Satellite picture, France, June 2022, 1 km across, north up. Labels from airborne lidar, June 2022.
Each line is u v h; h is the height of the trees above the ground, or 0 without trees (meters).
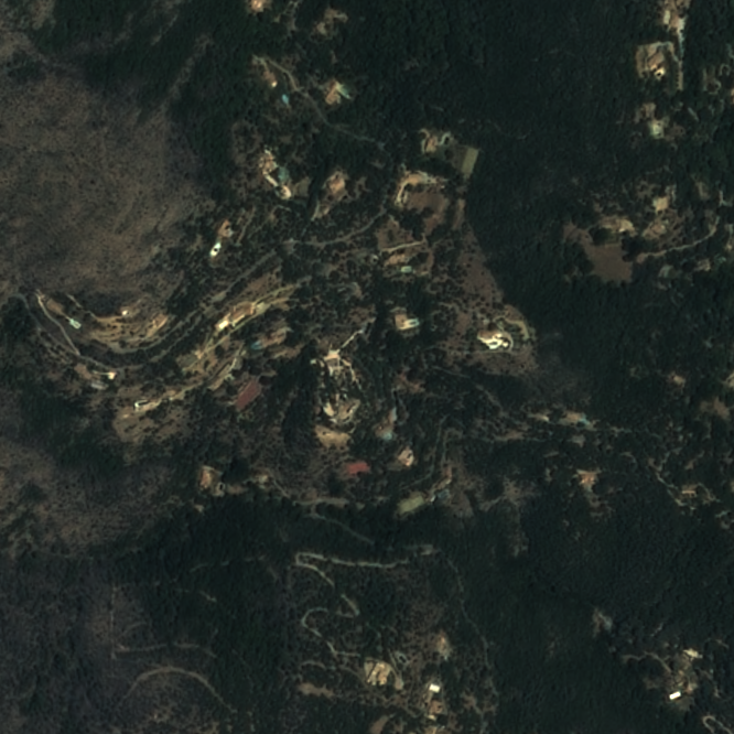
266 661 9
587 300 14
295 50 7
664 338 6
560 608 6
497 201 13
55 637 6
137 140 0
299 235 8
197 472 11
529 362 0
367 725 7
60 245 0
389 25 9
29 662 9
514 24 13
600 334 9
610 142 9
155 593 9
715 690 11
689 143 7
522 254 13
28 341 6
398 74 8
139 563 16
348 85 0
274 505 9
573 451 12
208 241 7
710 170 13
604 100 8
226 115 8
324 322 8
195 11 11
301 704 9
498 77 7
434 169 9
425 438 9
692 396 11
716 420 15
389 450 14
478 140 9
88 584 17
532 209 11
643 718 6
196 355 0
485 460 7
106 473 11
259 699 9
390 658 10
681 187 12
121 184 0
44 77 8
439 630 9
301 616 9
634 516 8
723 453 14
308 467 8
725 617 14
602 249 0
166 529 7
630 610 8
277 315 11
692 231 11
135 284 0
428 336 9
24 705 10
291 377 13
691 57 14
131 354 8
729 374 10
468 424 10
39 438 10
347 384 6
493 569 8
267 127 8
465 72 7
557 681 8
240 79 9
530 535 8
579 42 6
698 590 7
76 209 0
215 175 11
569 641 6
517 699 13
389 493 10
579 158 6
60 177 0
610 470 10
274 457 8
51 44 8
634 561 7
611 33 10
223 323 0
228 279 7
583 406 6
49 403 7
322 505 13
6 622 10
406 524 14
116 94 14
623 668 14
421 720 9
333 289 7
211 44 9
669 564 10
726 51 10
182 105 11
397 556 9
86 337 0
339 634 7
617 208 10
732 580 12
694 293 17
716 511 10
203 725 7
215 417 10
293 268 9
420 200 0
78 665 6
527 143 8
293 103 7
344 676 7
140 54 9
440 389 6
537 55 7
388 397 10
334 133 8
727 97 7
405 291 9
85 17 12
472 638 7
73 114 0
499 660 12
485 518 7
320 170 11
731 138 17
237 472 18
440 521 6
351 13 10
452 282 9
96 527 8
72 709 9
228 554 11
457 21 15
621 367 11
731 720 7
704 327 11
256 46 14
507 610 9
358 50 12
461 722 9
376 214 7
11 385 6
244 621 13
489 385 6
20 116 0
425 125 10
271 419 9
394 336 12
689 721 15
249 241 10
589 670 7
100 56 9
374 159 9
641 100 12
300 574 7
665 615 17
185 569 11
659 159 12
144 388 11
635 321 8
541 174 6
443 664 8
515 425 7
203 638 5
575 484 12
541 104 6
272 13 11
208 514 12
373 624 8
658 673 21
